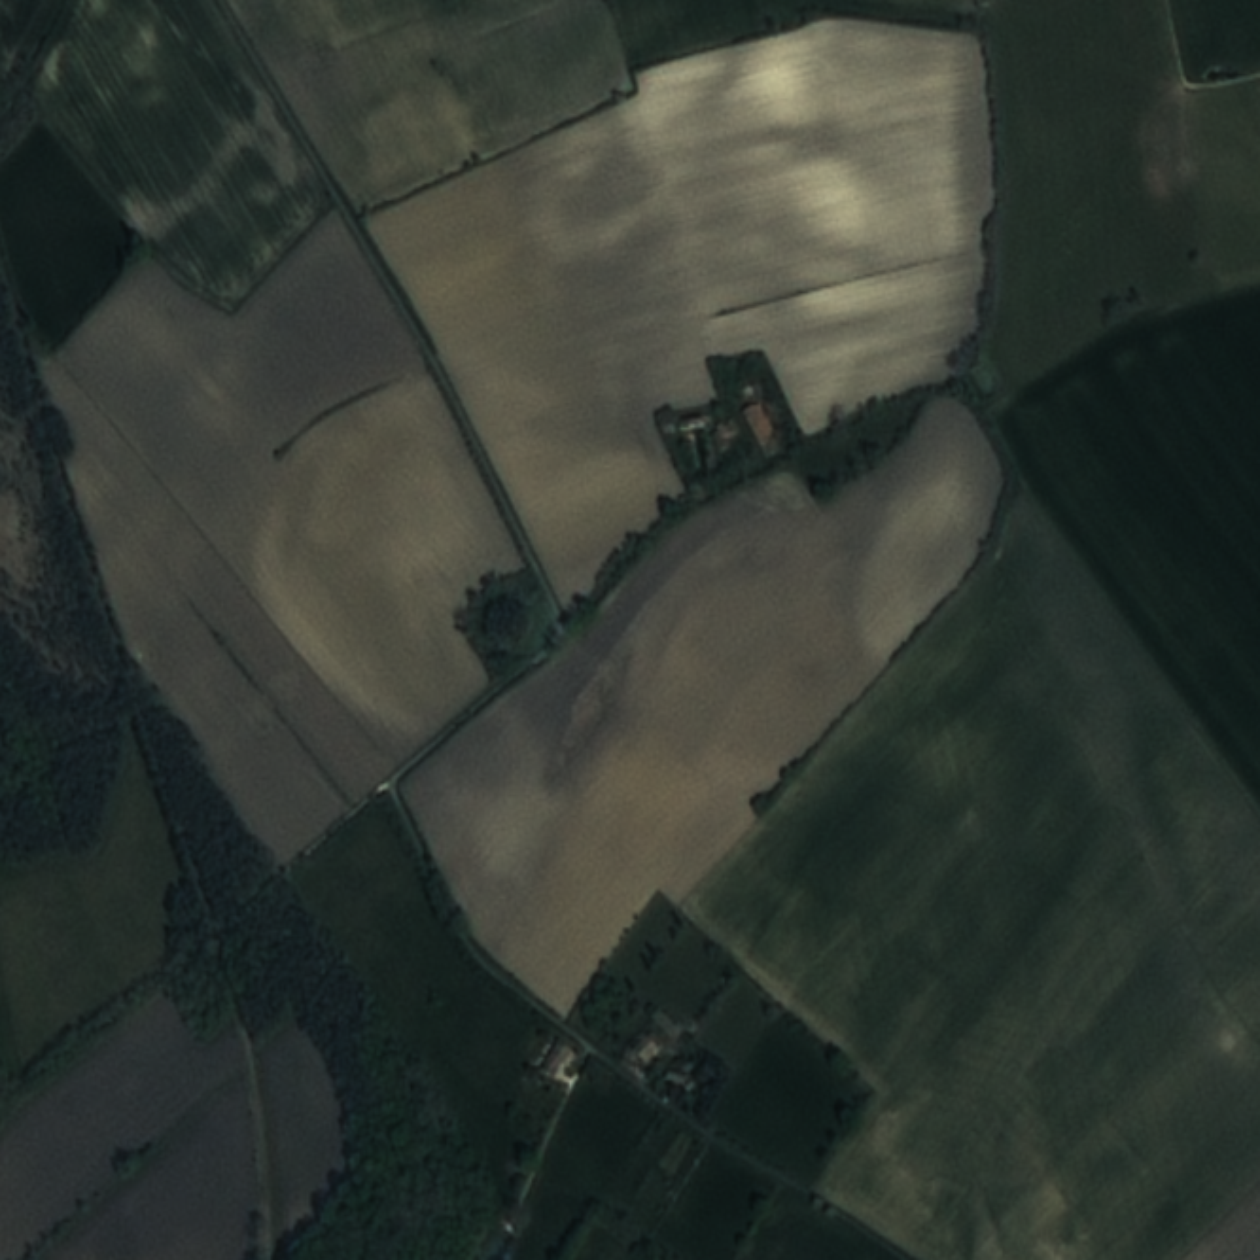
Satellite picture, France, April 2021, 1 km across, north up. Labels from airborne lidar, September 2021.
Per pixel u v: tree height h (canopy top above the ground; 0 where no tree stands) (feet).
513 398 0
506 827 0
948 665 0
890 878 0
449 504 0
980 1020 0
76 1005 0
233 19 0
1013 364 0
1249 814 0
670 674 0
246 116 0
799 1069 0
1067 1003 0
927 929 0
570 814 0
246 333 0
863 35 0
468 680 0
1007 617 0
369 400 0
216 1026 35
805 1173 0
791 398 0
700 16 0
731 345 0
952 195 0
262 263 0
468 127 0
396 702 0
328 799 0
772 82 0
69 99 0
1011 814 0
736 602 0
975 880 0
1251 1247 0
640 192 0
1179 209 0
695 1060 18
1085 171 0
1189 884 0
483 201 0
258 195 0
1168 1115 0
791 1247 0
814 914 0
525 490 0
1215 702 0
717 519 0
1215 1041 0
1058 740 0
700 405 0
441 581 0
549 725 0
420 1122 68
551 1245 0
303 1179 0
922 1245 0
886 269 0
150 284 0
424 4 0
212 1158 0
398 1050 58
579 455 0
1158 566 0
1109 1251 0
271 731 0
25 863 41
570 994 0
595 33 0
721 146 0
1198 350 0
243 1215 0
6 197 0
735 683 0
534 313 0
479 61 0
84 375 0
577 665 0
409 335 0
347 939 0
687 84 0
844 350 0
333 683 0
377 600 0
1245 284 0
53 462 42
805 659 0
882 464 56
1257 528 0
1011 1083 0
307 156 0
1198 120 0
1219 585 0
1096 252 0
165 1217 0
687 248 0
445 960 0
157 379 0
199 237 0
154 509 0
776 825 0
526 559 33
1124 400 0
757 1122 0
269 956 53
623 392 0
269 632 0
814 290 0
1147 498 0
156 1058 0
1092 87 0
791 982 0
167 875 0
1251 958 0
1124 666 0
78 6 0
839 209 0
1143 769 0
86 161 0
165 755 60
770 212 0
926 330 0
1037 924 0
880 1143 0
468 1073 0
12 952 0
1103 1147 0
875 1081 0
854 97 0
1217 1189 0
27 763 60
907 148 0
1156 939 0
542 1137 19
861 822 0
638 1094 18
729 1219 0
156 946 0
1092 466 0
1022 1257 0
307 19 0
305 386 0
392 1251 68
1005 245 0
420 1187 73
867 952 0
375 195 0
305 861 30
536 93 0
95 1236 0
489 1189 51
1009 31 0
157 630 0
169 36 0
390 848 0
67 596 24
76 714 50
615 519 0
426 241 0
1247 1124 0
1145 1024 0
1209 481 0
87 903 0
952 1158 0
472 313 0
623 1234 55
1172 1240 0
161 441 0
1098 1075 0
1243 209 0
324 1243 60
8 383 39
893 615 0
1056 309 0
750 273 0
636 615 0
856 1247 0
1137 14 0
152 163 0
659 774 0
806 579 0
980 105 0
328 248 0
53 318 0
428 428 0
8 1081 48
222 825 51
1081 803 0
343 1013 73
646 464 0
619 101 29
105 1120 0
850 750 0
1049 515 0
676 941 36
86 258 0
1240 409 0
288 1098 0
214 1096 0
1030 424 0
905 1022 0
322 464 0
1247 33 0
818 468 0
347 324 0
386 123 0
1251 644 0
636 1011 39
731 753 0
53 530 27
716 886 0
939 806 0
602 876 0
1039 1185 0
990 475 0
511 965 0
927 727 0
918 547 0
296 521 0
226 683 0
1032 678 0
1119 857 0
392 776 0
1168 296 0
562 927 0
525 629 45
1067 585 0
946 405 0
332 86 0
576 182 0
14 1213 0
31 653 35
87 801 59
